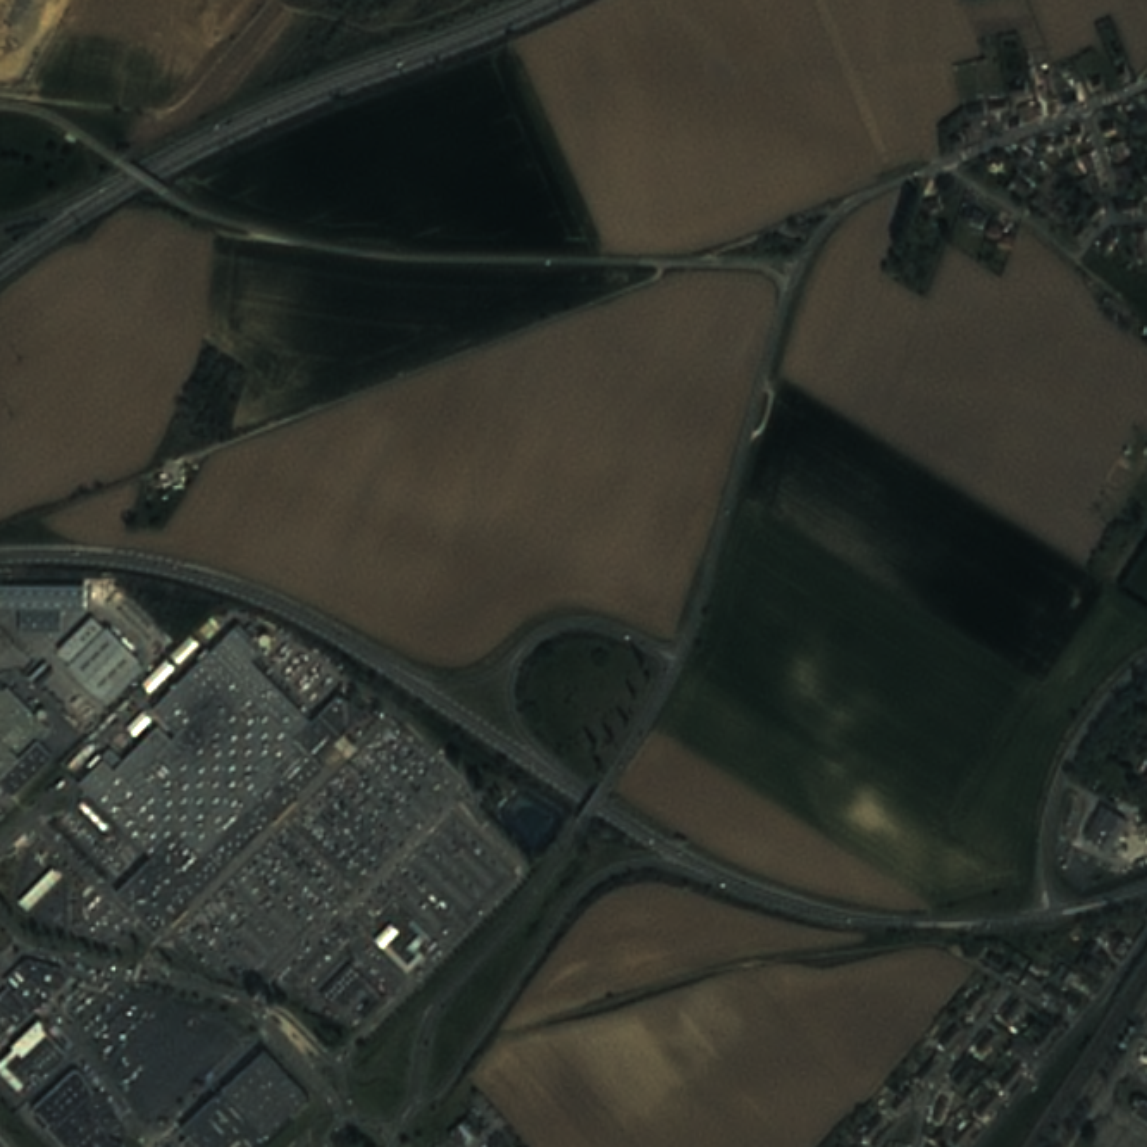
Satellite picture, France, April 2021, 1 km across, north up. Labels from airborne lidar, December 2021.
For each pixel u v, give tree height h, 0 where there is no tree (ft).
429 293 0
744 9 0
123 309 0
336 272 0
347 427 0
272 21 0
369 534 0
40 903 0
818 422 0
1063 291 0
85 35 0
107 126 0
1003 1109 0
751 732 0
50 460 0
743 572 0
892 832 0
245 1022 0
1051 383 0
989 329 0
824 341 0
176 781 0
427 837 0
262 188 0
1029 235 0
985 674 0
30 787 0
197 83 0
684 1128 0
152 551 0
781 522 0
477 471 0
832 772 0
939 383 0
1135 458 0
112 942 0
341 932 0
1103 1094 0
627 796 0
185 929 0
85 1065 0
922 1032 0
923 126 0
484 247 0
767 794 0
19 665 0
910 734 0
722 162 0
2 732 0
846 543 0
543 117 0
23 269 0
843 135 0
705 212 0
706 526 0
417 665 0
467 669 0
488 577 0
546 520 0
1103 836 0
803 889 0
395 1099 0
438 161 0
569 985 0
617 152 0
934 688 0
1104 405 0
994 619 0
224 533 0
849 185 0
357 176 0
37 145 0
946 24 0
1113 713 45
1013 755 0
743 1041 0
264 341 0
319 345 0
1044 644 0
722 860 0
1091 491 0
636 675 0
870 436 0
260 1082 0
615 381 0
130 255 0
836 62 0
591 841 73
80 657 0
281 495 0
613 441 0
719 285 0
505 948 0
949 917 0
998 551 0
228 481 0
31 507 0
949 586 0
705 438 0
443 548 0
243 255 0
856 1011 0
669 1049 0
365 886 0
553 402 0
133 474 0
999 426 0
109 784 0
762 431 0
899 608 0
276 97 0
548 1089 0
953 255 0
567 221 0
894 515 0
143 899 0
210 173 0
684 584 0
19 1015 0
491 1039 0
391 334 0
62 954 0
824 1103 0
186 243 0
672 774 0
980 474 0
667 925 0
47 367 0
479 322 0
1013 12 0
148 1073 0
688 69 0
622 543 0
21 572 0
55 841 0
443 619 0
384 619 0
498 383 0
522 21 0
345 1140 32
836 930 0
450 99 0
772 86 0
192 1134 0
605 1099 0
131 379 0
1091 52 17
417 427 0
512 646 0
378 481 0
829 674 0
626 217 0
